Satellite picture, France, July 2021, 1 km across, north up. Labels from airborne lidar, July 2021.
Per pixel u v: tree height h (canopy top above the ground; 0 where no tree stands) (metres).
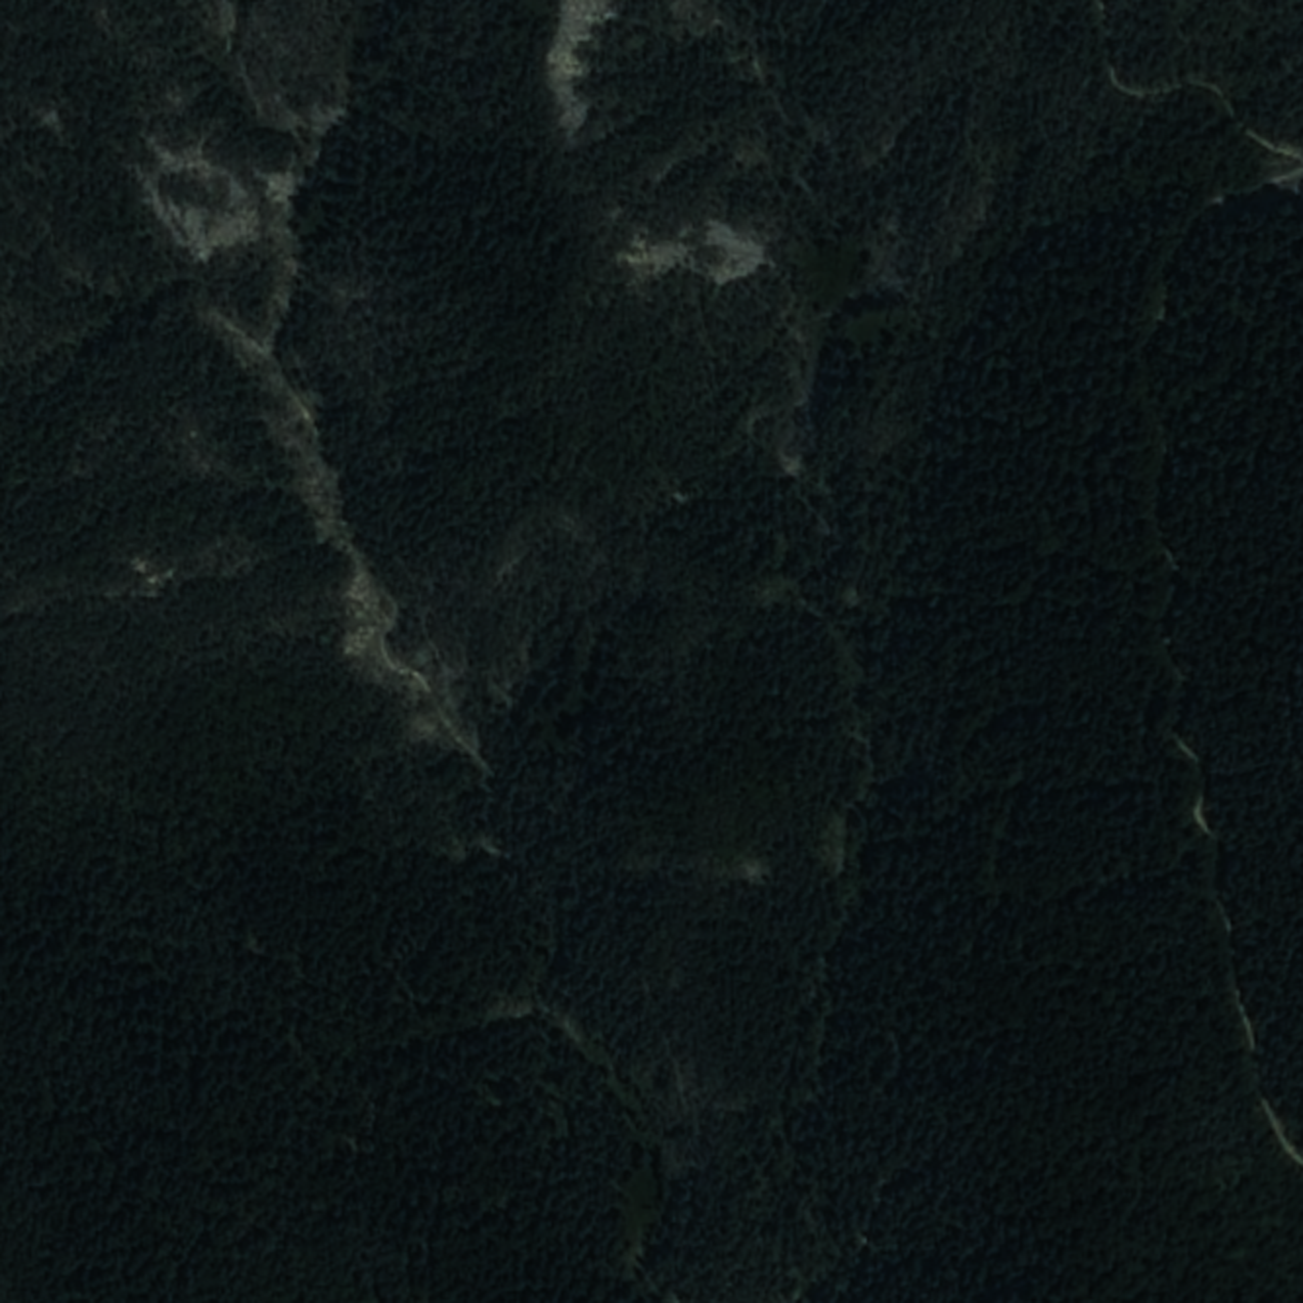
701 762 19
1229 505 18
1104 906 19
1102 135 22
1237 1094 10
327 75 7
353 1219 32
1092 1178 22
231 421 13
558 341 11
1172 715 11
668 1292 18
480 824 8
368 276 6
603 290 13
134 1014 36
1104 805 25
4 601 7
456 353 6
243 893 13
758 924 25
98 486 12
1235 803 23
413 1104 29
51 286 14
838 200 15
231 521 12
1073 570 26
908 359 18
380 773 14
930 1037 22
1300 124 8
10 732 15
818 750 24
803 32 11
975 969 19
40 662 10
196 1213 29
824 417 13
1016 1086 17
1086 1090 24
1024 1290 32
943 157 14
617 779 34
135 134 10
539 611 15
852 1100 19
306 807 16
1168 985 24
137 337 16
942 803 30
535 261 16
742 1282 22
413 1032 13
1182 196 19
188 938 25
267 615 9
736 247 0
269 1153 25
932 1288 31
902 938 25
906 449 13
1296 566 24
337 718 7
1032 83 13
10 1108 24
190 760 19
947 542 17
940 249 10
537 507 12
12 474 13
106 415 10
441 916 30
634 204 10
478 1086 7
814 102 16
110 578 11
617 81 13
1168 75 11
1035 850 23
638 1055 21
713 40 9
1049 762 24
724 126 8
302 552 15
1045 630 28
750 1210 11
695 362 10
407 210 15
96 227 13
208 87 10
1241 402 21
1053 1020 27
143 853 22
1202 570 21
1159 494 6
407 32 16
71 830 20
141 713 12
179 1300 24
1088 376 30
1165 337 15
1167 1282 23
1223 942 7
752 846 12
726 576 18
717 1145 14
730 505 21
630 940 18
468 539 17
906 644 23
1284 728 21
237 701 18
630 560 12
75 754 12
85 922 31
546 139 15
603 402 15
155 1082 36
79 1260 19
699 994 14
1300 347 25
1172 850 18
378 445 9
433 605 7
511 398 8
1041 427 22
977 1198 34
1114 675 26
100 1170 34
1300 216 24
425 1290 18
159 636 10
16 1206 25
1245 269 25
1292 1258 13
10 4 12
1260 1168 15
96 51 7
